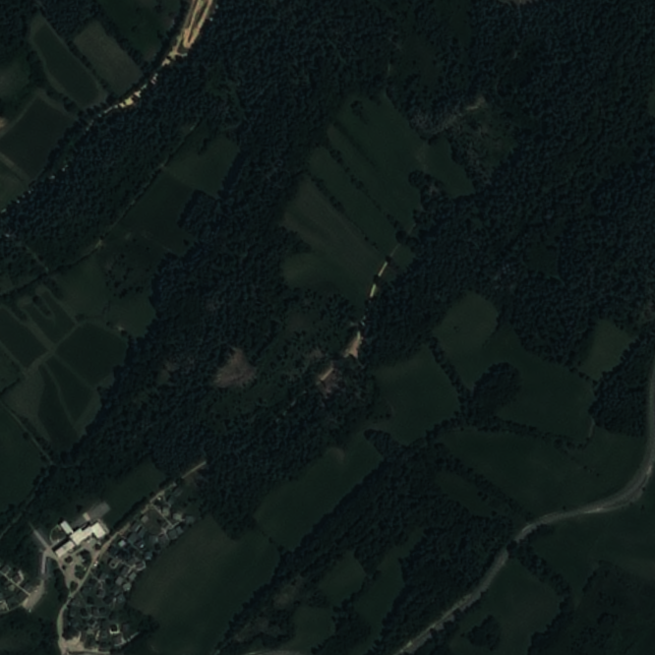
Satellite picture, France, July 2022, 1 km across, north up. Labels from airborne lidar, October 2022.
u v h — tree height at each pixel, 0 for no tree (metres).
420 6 10
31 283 6
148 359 33
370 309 14
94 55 0
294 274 0
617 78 23
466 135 12
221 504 14
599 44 26
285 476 24
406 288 31
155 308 15
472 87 9
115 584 6
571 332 30
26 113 0
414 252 12
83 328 0
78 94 0
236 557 0
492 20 17
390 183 0
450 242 30
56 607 0
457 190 0
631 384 25
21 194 0
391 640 18
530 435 9
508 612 0
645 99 10
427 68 0
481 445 0
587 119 25
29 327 0
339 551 12
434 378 0
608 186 21
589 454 0
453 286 28
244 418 17
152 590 0
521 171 24
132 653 8
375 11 26
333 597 0
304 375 9
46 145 0
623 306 32
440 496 27
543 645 21
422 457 13
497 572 0
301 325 0
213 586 0
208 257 30
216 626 0
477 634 18
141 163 8
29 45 10
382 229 0
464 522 21
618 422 24
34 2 13
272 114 17
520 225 9
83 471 21
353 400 25
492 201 24
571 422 0
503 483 0
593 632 15
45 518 12
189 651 0
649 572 0
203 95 19
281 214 23
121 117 25
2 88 0
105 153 19
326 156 0
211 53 20
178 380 19
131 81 0
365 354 8
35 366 0
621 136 32
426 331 25
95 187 14
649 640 0
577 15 27
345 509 22
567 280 26
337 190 0
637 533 0
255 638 10
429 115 11
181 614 0
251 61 23
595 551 0
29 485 0
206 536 0
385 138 0
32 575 0
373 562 22
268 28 25
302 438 26
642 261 29
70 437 0
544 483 0
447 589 28
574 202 31
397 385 0
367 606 0
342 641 12
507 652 0
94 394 0
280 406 9
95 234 8
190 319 24
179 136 16
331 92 29
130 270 10
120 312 0
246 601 0
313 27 26
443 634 19
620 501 0
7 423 0
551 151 24
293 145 18
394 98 24
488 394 22
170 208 0
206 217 23
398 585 0
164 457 27
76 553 0
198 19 0
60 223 6
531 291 19
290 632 11
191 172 0
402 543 16
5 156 0
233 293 18
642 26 15
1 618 8
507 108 7
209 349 16
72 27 26
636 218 27
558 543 0
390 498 18
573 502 0
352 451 0
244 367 0
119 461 16
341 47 25
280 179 21
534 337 22
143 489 0
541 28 24
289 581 23
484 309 0
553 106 34
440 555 29
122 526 11
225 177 0
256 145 14
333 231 0
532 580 0
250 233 16
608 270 28
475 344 0
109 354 0
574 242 26
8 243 16
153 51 0
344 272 0
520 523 0
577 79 25
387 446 22
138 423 14
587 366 0
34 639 6
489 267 31
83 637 0
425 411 0
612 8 30
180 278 30
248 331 23
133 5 0
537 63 11
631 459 0
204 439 30
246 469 15
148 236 0
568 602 14
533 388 0
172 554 0
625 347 0
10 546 7
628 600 0
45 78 8
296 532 0
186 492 0
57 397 0
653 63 22
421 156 0
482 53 15
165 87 25
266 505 0
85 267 0
